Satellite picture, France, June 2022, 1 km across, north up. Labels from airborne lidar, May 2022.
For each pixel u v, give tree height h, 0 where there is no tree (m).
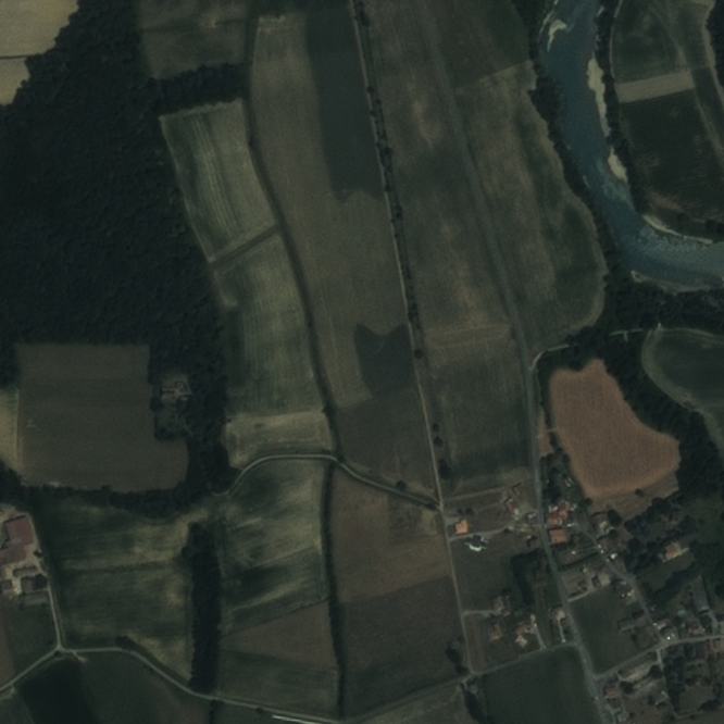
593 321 0
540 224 0
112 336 15
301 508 0
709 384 0
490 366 0
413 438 0
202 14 0
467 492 0
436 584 0
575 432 0
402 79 0
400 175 0
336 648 6
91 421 0
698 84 0
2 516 0
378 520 0
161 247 12
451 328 0
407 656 0
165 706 0
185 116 0
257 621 0
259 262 0
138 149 20
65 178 22
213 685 14
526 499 0
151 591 0
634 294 14
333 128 0
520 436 0
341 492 0
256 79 0
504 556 0
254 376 0
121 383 0
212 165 0
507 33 0
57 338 20
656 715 0
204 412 18
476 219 0
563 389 0
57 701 0
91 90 17
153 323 17
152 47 0
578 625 0
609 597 0
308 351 0
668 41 0
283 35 0
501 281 0
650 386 11
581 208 0
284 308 0
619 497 0
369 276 0
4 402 0
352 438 0
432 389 0
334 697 0
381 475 0
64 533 0
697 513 0
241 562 0
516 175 0
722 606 0
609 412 0
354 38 0
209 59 0
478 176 0
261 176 0
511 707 0
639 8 0
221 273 0
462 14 0
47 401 0
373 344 0
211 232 0
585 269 0
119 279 19
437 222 0
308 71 0
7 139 22
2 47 0
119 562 0
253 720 0
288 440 0
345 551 0
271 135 0
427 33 0
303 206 0
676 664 7
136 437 0
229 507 0
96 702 0
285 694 0
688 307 11
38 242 19
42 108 22
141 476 0
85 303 21
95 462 0
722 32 21
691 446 16
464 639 8
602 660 0
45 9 0
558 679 0
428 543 0
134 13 11
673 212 0
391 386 0
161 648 0
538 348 0
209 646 16
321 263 0
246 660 0
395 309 0
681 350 0
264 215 0
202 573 12
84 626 0
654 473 0
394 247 0
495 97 0
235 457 0
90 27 21
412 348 0
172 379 0
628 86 0
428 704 0
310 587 0
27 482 0
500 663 0
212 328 13
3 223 16
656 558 13
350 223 0
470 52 0
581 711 0
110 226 18
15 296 24
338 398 0
